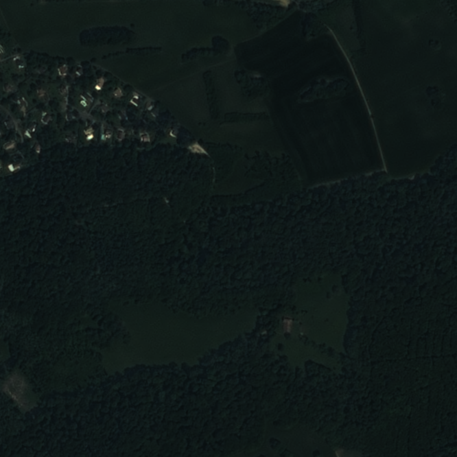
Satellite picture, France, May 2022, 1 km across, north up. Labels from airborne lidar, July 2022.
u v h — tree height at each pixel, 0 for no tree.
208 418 24
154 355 0
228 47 16
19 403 0
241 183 0
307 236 27
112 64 0
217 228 27
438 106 17
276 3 0
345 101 0
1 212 23
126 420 30
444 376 14
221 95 0
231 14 0
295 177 11
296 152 0
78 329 12
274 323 11
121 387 25
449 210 24
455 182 27
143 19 0
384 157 0
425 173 0
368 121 0
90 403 23
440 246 27
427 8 0
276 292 21
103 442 21
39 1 9
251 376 32
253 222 24
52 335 23
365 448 20
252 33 0
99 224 11
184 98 0
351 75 0
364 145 0
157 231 20
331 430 24
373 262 22
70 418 10
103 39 25
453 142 0
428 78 0
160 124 26
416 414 20
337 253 27
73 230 24
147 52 11
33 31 0
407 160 0
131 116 27
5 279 22
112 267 25
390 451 17
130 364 0
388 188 33
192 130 0
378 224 25
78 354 10
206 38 0
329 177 0
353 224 29
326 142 0
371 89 0
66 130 10
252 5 15
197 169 20
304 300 0
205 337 0
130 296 19
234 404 30
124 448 26
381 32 0
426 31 0
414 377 15
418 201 8
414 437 16
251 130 0
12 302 24
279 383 30
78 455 24
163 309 0
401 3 0
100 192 23
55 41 0
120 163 25
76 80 10
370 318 25
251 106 0
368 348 13
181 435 23
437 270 11
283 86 0
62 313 20
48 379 7
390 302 30
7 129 8
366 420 19
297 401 31
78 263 20
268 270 26
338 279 0
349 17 0
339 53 0
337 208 28
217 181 10
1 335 8
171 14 0
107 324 17
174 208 24
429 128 0
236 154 11
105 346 20
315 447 0
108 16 0
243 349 30
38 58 15
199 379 22
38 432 33
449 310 18
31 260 23
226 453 24
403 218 31
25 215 25
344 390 22
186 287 29
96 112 12
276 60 0
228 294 32
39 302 21
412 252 29
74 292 21
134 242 12
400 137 0
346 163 0
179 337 0
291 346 0
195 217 22
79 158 28
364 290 27
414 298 14
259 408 27
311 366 19
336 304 0
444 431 19
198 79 0
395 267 31
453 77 0
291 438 0
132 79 0
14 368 26
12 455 33
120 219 12
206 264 28
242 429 29
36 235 25
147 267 18
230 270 33
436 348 15
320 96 15
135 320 0
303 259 26
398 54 0
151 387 27
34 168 11
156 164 19
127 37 21
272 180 9
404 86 0
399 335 18
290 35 0
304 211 25
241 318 0
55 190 29
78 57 0
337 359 17
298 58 0
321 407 28
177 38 0
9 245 25
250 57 0
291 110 0
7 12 0
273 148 0
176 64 0
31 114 10
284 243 26
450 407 18
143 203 10
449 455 29
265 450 0
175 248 26
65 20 0
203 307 20
